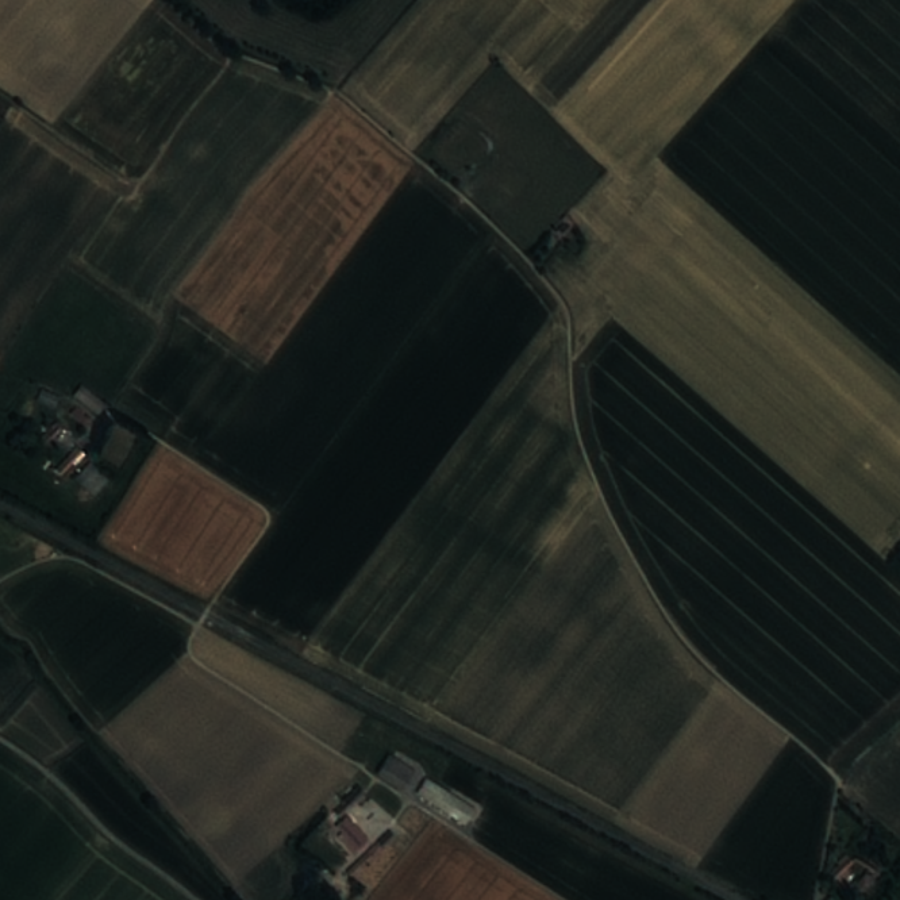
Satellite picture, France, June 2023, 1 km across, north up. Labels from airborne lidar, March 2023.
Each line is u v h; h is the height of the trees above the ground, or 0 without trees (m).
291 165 0
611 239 0
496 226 0
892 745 0
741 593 0
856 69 0
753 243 0
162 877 0
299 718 0
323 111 0
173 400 0
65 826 0
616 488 0
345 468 0
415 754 0
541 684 0
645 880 0
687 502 0
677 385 0
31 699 0
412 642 0
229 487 0
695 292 0
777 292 0
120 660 0
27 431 17
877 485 0
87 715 0
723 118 0
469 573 0
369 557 0
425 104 0
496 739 0
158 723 0
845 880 0
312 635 0
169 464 0
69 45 0
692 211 0
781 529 0
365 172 0
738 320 0
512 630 0
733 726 0
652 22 0
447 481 0
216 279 0
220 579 0
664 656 0
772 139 0
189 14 12
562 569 0
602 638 0
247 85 0
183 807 0
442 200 0
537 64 0
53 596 0
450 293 0
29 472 0
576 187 0
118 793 0
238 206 0
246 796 0
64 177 0
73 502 0
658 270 0
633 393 0
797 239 0
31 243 0
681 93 0
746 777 0
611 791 0
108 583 0
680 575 0
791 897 0
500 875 0
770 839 0
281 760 0
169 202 0
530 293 0
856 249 0
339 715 0
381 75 0
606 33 0
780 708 0
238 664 0
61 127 0
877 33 0
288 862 0
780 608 0
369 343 0
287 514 0
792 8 0
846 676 0
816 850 0
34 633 0
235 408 0
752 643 0
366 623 0
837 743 0
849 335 0
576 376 0
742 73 0
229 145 0
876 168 0
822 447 0
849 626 0
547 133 0
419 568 0
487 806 0
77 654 0
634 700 0
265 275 0
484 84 0
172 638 0
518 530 0
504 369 0
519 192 0
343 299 0
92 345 0
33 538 0
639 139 0
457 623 0
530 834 0
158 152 0
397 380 0
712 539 0
